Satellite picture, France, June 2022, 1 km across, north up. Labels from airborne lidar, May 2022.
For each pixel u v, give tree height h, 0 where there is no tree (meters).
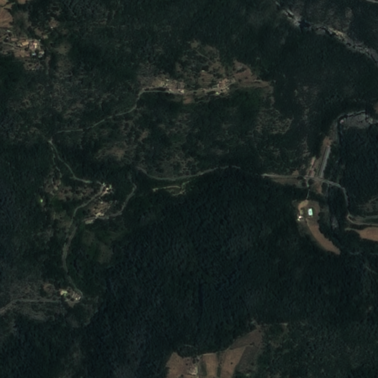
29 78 8
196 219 16
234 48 7
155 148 11
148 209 7
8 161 12
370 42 10
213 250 17
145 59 8
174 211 19
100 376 7
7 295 7
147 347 7
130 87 9
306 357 11
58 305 6
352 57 13
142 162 7
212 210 17
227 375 0
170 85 0
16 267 6
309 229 0
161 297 8
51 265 15
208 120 18
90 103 7
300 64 10
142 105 6
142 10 10
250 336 0
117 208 6
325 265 19
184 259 8
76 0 22
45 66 8
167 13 9
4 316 11
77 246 13
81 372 14
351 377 28
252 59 10
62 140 6
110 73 9
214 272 15
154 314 10
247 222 12
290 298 14
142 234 10
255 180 19
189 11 8
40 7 9
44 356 16
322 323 12
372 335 17
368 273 25
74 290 8
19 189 12
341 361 9
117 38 7
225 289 23
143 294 7
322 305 12
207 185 8
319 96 9
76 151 13
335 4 5
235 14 7
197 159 7
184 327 12
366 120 0
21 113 10
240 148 10
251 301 17
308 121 8
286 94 9
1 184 15
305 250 13
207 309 35
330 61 15
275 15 6
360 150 11
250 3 10
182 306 18
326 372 12
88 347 14
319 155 11
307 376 16
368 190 7
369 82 11
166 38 7
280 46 8
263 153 10
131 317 16
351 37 7
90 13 16
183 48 6
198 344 15
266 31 14
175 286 16
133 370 6
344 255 20
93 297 7
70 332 10
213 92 9
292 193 16
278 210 8
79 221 10
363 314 11
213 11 14
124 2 11
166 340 14
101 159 7
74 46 9
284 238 12
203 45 6
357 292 11
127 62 10
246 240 26
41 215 11
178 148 10
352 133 8
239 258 9
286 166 9
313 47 12
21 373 8
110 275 5
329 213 6
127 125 10
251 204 18
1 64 8
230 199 13
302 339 6
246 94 7
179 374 0
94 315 7
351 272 15
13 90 6
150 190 10
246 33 10
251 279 32
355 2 8
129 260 6
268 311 15
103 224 8
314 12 6
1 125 15
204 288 31
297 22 0
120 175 12
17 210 14
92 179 6
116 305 15
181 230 9
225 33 7
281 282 10
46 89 6
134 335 8
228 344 8
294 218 14
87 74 9
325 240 0
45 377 17
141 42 8
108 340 19
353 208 10
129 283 11
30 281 10
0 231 13
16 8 11
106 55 10
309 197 10
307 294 11
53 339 13
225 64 8
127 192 9
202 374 0
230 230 21
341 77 10
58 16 5
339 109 16
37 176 7
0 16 0
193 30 12
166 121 7
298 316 10
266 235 21
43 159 12
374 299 14
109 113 13
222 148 12
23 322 6
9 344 11
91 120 11
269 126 6
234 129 7
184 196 11
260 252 23
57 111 11
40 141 9
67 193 12
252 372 7
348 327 10
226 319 25
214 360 0
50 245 12
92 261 14
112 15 7
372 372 13
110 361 22
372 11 9
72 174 7
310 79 10
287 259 13
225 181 19
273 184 18
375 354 9
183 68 8
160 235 11
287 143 8
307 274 9
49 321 17
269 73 6
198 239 7
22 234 9
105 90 9
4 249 6
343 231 10
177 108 9
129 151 8
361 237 9
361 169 7
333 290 16
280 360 14
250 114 8
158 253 11
